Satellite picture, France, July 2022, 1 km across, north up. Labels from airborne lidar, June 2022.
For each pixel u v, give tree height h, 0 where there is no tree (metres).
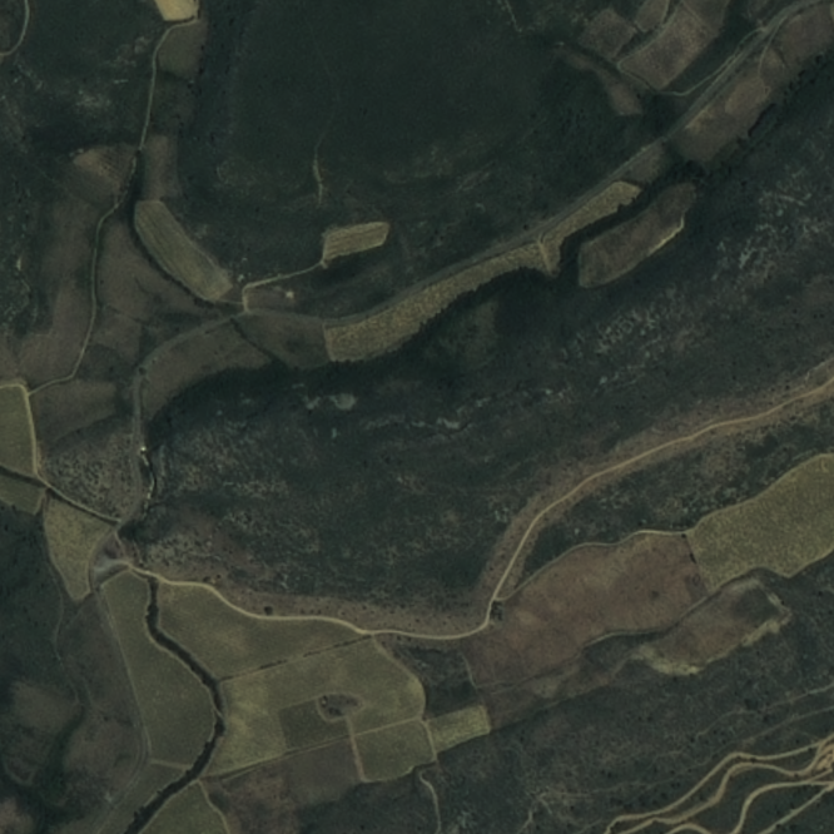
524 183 0
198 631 0
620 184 0
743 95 0
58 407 0
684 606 0
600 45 0
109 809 0
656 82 0
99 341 0
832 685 0
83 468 0
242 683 0
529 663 0
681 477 0
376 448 0
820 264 0
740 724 0
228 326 0
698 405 0
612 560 0
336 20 0
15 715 0
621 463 0
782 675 0
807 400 0
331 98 0
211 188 0
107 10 0
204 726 0
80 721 0
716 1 0
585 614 0
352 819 0
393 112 0
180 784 6
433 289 0
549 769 0
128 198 6
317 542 0
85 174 0
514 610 0
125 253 0
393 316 0
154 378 0
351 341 0
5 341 0
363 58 0
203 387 8
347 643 0
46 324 0
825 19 0
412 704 0
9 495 0
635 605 0
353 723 0
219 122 0
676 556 0
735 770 0
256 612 0
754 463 0
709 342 0
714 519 0
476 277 0
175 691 0
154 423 7
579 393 0
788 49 0
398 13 0
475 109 0
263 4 0
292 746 0
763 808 0
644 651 0
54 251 0
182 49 0
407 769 0
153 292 0
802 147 0
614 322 0
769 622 0
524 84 0
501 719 0
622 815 0
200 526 0
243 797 0
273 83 0
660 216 0
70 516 0
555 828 0
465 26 0
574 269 6
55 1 0
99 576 0
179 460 0
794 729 0
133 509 0
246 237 0
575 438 0
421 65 0
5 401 0
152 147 0
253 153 0
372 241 0
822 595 6
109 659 0
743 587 0
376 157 0
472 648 0
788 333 0
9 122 0
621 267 0
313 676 0
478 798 0
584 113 8
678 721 0
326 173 0
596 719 0
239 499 0
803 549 0
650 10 0
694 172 18
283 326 0
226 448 0
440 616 0
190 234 0
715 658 0
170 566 0
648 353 0
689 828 0
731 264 0
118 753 0
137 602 0
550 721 0
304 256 0
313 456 0
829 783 0
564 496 0
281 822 0
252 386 8
